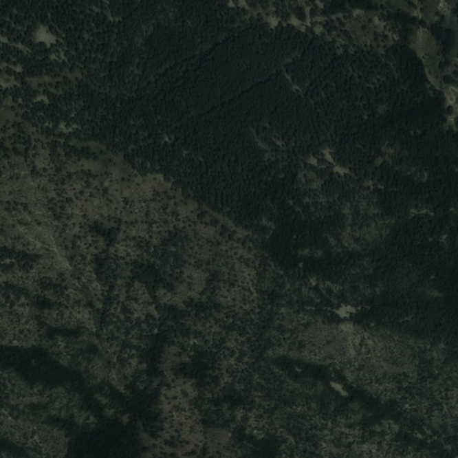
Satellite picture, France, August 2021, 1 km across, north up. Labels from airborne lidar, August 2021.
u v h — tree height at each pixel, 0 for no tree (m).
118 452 17
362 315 9
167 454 6
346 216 12
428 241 11
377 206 7
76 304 8
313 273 20
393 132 11
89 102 16
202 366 11
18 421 8
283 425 7
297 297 6
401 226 11
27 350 9
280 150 24
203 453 9
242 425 7
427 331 17
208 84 18
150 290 12
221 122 22
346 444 8
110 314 7
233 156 21
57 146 14
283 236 13
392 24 6
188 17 20
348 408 6
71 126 11
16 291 18
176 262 9
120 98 14
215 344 6
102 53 14
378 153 12
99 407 9
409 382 7
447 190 29
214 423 9
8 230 0
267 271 6
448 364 10
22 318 9
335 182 19
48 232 0
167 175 14
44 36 0
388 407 8
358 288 10
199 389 6
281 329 13
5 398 8
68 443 6
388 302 8
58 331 7
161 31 19
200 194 20
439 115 10
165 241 12
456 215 10
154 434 12
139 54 12
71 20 12
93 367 6
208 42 25
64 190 11
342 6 15
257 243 9
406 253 12
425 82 16
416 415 6
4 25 12
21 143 12
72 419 9
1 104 10
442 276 13
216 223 10
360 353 7
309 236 18
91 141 8
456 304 28
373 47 10
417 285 13
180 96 14
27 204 9
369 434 7
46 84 14
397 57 17
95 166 0
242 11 7
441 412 8
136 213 8
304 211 8
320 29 0
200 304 9
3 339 9
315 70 21
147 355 6
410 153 13
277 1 8
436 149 16
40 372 16
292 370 7
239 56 20
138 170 9
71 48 17
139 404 17
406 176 11
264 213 13
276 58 18
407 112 19
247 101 24
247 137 17
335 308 6
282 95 26
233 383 11
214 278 13
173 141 18
